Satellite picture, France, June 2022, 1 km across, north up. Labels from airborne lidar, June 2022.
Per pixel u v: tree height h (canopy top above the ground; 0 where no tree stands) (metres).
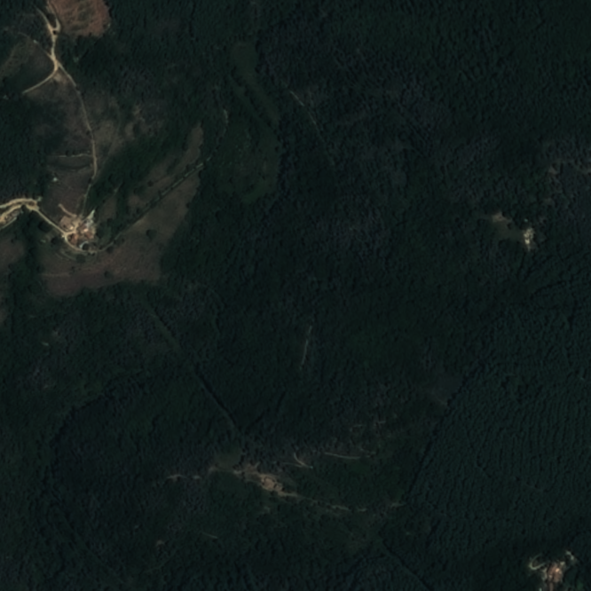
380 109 10
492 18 15
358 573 34
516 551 24
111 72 14
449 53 20
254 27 11
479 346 8
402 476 12
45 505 24
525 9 13
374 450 8
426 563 32
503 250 13
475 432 28
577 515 35
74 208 0
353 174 8
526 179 12
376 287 18
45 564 9
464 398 22
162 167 0
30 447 30
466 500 31
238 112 13
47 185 13
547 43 19
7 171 17
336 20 12
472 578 26
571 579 16
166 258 6
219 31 30
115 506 18
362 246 16
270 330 8
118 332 18
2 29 17
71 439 19
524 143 16
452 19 16
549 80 14
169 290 9
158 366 26
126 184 20
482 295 18
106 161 0
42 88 0
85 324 20
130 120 6
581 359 32
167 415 20
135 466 15
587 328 29
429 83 22
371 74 13
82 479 18
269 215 15
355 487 10
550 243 15
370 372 10
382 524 8
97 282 0
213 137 8
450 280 20
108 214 0
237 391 28
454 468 32
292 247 10
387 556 30
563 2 20
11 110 19
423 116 21
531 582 16
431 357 21
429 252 17
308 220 8
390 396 13
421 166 20
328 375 18
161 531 16
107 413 22
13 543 17
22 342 15
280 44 8
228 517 14
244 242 16
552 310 9
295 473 13
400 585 34
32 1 22
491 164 12
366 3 16
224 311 23
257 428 16
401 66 19
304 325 6
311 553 12
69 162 0
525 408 31
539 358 20
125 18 25
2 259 0
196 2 28
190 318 17
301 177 24
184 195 0
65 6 0
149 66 16
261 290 12
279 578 11
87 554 13
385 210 9
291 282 13
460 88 16
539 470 32
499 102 16
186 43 26
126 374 8
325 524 12
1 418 17
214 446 18
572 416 30
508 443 30
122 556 17
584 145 14
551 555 16
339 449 13
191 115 12
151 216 0
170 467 17
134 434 12
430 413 15
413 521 12
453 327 8
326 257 16
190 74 10
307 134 17
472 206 12
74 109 0
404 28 19
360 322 18
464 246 18
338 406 12
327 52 17
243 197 20
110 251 10
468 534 32
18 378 29
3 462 13
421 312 28
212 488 10
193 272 11
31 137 19
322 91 11
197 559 20
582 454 26
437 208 24
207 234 19
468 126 21
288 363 23
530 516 30
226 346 22
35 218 18
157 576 12
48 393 10
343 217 16
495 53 27
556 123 15
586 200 14
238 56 0
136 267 0
